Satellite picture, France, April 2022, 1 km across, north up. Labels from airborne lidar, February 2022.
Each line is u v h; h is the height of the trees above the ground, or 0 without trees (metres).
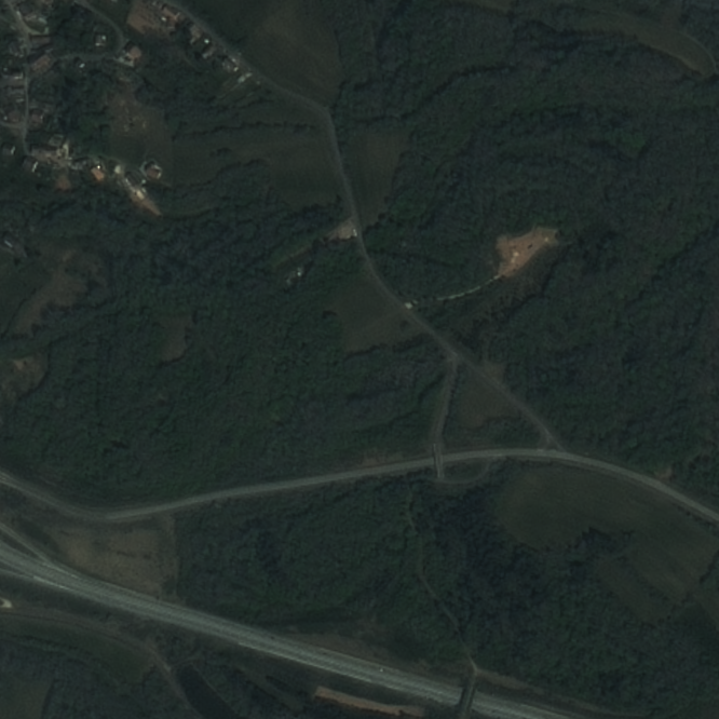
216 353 12
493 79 23
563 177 26
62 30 12
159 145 0
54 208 11
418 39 27
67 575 0
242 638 0
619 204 27
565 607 20
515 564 8
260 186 14
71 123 9
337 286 9
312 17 9
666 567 0
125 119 0
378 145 0
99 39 0
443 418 0
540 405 22
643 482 0
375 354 14
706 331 23
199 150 0
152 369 16
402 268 19
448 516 26
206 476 18
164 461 21
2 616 0
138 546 0
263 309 25
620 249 25
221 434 26
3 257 0
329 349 23
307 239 22
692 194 28
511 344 17
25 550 0
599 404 18
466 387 14
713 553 0
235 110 9
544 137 16
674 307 26
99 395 18
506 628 28
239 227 21
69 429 28
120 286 22
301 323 22
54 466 16
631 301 30
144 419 27
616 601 16
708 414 28
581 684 23
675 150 23
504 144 21
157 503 0
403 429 13
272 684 7
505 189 23
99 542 0
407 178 21
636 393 26
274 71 0
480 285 12
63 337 19
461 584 15
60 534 0
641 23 0
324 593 26
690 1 10
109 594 0
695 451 25
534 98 24
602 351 29
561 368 29
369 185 0
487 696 0
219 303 25
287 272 0
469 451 0
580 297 25
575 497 0
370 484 16
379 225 7
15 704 0
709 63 0
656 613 0
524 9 12
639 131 27
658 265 17
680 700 21
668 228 25
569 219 20
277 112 0
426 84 7
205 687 8
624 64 23
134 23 0
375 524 21
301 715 13
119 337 21
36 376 0
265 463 20
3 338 10
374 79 13
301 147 0
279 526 20
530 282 0
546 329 22
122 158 0
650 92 27
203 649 0
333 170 0
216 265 27
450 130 23
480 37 23
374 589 14
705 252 31
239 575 22
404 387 17
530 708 0
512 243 0
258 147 0
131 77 7
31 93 8
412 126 11
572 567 25
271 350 27
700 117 30
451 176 8
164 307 19
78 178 12
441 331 6
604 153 29
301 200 0
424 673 0
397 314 0
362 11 18
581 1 0
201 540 26
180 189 10
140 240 11
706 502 13
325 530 21
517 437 11
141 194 0
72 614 0
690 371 25
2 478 0
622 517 0
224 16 0
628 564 12
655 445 19
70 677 22
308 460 16
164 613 0
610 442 19
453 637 19
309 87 0
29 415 19
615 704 8
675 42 0
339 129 10
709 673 26
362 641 0
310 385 27
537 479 0
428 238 23
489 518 23
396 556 15
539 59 32
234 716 6
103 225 18
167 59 9
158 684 8
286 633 0
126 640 0
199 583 22
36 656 19
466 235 22
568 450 0
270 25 0
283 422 33
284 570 27
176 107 13
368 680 0
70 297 0
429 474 9
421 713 0
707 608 0
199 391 9
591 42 14
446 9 15
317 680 0
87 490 9
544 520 0
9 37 7
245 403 26
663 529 0
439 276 20
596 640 25
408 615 12
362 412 27
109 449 30
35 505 0
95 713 17
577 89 27
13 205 14
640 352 29
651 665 25
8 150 0
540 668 28
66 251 0
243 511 18
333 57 0
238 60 0
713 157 19
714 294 23
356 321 0
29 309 0
